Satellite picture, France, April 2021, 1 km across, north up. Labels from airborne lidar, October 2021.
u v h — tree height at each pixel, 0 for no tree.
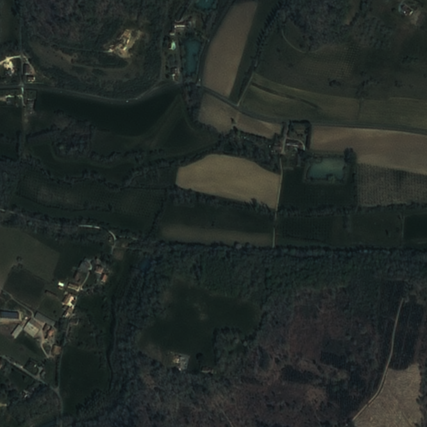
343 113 0
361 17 16
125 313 25
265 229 0
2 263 0
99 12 10
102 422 17
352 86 0
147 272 14
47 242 0
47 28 10
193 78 11
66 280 0
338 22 19
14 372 10
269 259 19
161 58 7
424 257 18
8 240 0
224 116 0
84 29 12
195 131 0
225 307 0
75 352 0
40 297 0
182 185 0
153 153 10
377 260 18
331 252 18
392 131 0
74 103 0
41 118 0
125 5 19
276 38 0
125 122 0
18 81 13
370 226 0
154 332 0
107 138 0
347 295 21
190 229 0
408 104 0
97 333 14
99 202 12
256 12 0
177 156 0
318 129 0
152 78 6
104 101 0
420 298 16
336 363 9
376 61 0
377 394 0
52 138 18
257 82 0
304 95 0
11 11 0
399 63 0
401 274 14
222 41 0
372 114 0
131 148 0
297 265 16
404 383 0
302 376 8
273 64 0
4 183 20
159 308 24
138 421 22
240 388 11
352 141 0
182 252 16
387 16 0
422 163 0
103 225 8
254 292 17
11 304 0
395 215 0
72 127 7
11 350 0
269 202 0
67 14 15
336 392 12
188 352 0
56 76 14
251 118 0
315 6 24
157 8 11
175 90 0
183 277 25
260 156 24
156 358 0
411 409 0
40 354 0
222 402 16
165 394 17
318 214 14
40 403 10
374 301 9
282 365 18
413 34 0
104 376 0
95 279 9
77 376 0
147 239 8
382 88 0
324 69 0
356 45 0
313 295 7
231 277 15
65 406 0
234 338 21
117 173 0
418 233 0
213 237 0
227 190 0
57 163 0
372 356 17
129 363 18
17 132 0
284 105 0
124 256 0
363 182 14
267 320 13
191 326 0
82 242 21
